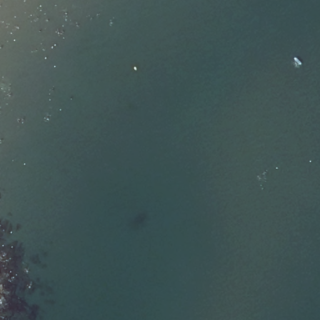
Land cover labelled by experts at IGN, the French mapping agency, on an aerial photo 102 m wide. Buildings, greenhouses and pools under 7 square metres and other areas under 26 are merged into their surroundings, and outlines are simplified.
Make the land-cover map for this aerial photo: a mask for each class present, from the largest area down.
<instances>
[{"label":"water","instance_id":"1","mask_svg":"<svg viewBox=\"0 0 320 320\"><path fill-rule=\"evenodd\" d=\"M0 254H6L9 259L4 272L11 271L9 276L15 277L14 281H5L2 284L4 302L0 305V320H320V0H0Z\"/></svg>","mask_w":320,"mask_h":320},{"label":"bare soil","instance_id":"2","mask_svg":"<svg viewBox=\"0 0 320 320\"><path fill-rule=\"evenodd\" d=\"M9 259L6 254H0V305L4 302L2 284L5 281H14L15 277L9 276L11 271L4 272Z\"/></svg>","mask_w":320,"mask_h":320}]
</instances>
